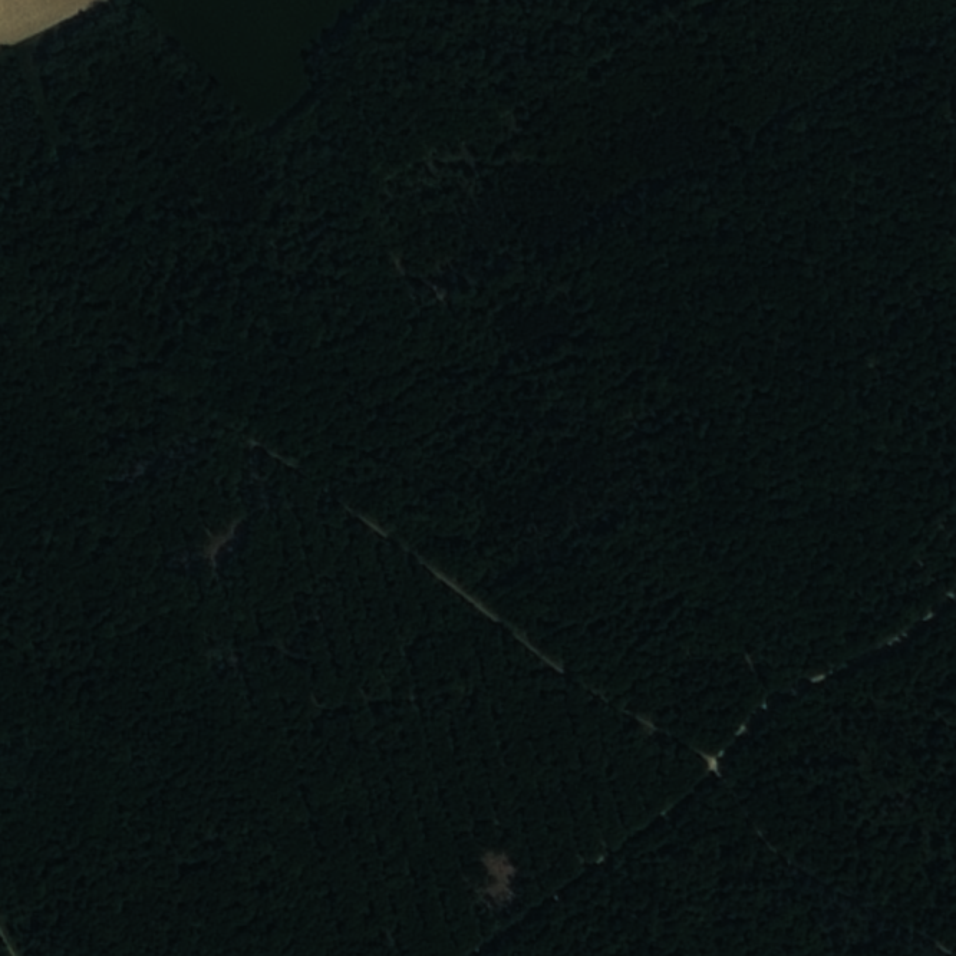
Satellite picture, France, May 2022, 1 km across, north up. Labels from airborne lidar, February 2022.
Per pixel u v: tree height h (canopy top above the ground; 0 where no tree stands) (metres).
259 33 0
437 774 24
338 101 26
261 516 24
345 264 25
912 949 26
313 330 27
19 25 0
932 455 28
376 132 25
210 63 0
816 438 33
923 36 19
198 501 24
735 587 28
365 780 25
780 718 27
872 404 30
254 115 0
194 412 27
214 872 24
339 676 27
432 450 23
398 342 25
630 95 14
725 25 20
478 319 24
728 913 26
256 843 24
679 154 17
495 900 20
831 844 26
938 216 33
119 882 24
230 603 22
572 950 20
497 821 23
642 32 28
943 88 28
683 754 24
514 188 17
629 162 11
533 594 23
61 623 28
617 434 16
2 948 17
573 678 22
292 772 23
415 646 19
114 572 24
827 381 28
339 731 25
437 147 24
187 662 22
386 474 27
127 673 23
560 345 16
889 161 28
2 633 29
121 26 21
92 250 21
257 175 26
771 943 28
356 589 21
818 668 25
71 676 26
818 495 28
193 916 23
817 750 9
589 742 22
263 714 24
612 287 27
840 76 13
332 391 25
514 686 24
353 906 24
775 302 32
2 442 22
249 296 27
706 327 29
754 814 24
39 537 26
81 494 20
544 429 25
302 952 22
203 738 20
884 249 26
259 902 19
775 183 26
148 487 25
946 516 26
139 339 17
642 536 27
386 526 25
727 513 30
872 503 33
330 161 24
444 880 23
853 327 30
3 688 24
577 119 17
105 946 26
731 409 29
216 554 21
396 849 23
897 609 31
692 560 29
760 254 30
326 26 0
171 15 0
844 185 27
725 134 9
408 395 27
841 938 23
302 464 24
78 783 24
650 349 28
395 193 10
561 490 17
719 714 25
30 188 21
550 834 23
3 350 25
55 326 28
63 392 22
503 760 23
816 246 28
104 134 27
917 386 32
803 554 33
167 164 25
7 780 20
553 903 22
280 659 18
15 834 23
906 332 29
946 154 29
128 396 24
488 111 25
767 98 13
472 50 28
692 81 11
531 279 21
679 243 30
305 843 26
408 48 26
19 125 19
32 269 32
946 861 24
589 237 24
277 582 23
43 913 19
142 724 24
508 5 35
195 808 23
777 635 28
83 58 29
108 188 29
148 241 28
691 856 26
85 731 21
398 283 23
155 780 22
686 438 31
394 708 22
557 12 30
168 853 23
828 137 29
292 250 27
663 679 19
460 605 20
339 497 21
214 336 24
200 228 21
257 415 26
